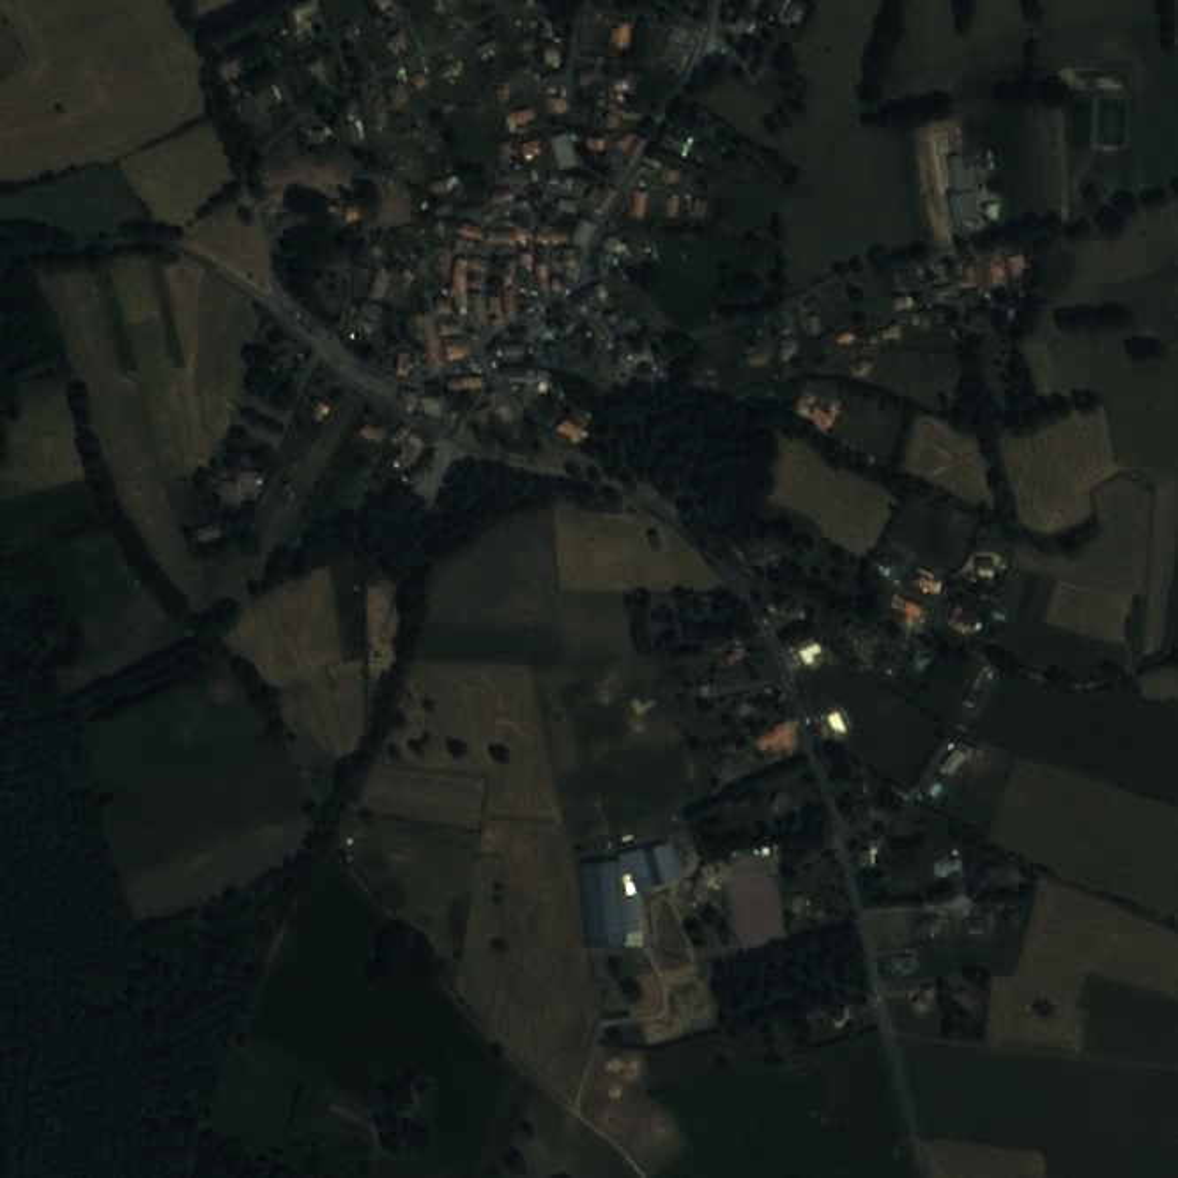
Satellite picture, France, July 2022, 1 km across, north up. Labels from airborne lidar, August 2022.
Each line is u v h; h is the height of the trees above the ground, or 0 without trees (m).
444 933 0
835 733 0
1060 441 0
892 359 0
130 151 0
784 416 16
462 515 15
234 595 0
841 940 18
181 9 18
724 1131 0
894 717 0
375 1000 0
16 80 0
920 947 0
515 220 7
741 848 12
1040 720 0
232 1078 0
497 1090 0
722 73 19
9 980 25
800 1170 0
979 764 0
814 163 0
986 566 0
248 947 11
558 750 0
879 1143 0
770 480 17
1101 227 16
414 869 0
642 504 0
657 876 0
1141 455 0
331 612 0
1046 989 0
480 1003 0
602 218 0
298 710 0
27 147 0
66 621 9
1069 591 0
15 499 0
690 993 0
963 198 0
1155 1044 0
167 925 12
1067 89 14
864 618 15
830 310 0
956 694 0
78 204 0
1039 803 0
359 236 7
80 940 29
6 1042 21
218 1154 11
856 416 0
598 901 0
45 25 0
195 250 0
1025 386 11
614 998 0
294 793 0
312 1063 0
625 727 0
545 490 19
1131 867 0
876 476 10
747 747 8
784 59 18
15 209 0
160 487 0
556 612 0
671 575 0
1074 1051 0
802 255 0
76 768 20
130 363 0
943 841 0
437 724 0
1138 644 0
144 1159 25
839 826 0
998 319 17
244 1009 22
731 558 21
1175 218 0
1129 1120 0
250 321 0
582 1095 0
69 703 11
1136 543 0
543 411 0
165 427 0
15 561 5
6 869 24
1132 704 0
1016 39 0
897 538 0
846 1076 0
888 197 0
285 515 0
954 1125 0
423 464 7
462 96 0
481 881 0
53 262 14
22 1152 26
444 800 0
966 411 17
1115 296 0
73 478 0
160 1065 23
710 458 23
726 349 0
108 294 0
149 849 0
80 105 0
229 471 15
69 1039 25
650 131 11
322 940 0
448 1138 0
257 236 0
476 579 0
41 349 22
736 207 0
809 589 11
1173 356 0
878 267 20
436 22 0
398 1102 22
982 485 0
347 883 0
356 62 15
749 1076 0
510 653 0
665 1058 0
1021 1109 0
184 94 0
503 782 0
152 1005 18
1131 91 0
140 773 0
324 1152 0
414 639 13
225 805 0
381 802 0
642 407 16
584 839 0
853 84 0
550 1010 0
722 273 12
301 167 0
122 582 0
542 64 8
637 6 14
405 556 21
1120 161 0
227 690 0
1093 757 0
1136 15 0
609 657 0
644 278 17
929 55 0
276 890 12
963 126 0
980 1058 0
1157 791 0
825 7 0
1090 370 0
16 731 25
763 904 0
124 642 0
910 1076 0
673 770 0
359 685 0
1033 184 0
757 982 21
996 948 0
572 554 0
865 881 14
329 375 0
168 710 0
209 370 0
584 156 18
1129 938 0
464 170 14
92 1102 26
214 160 0
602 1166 0
